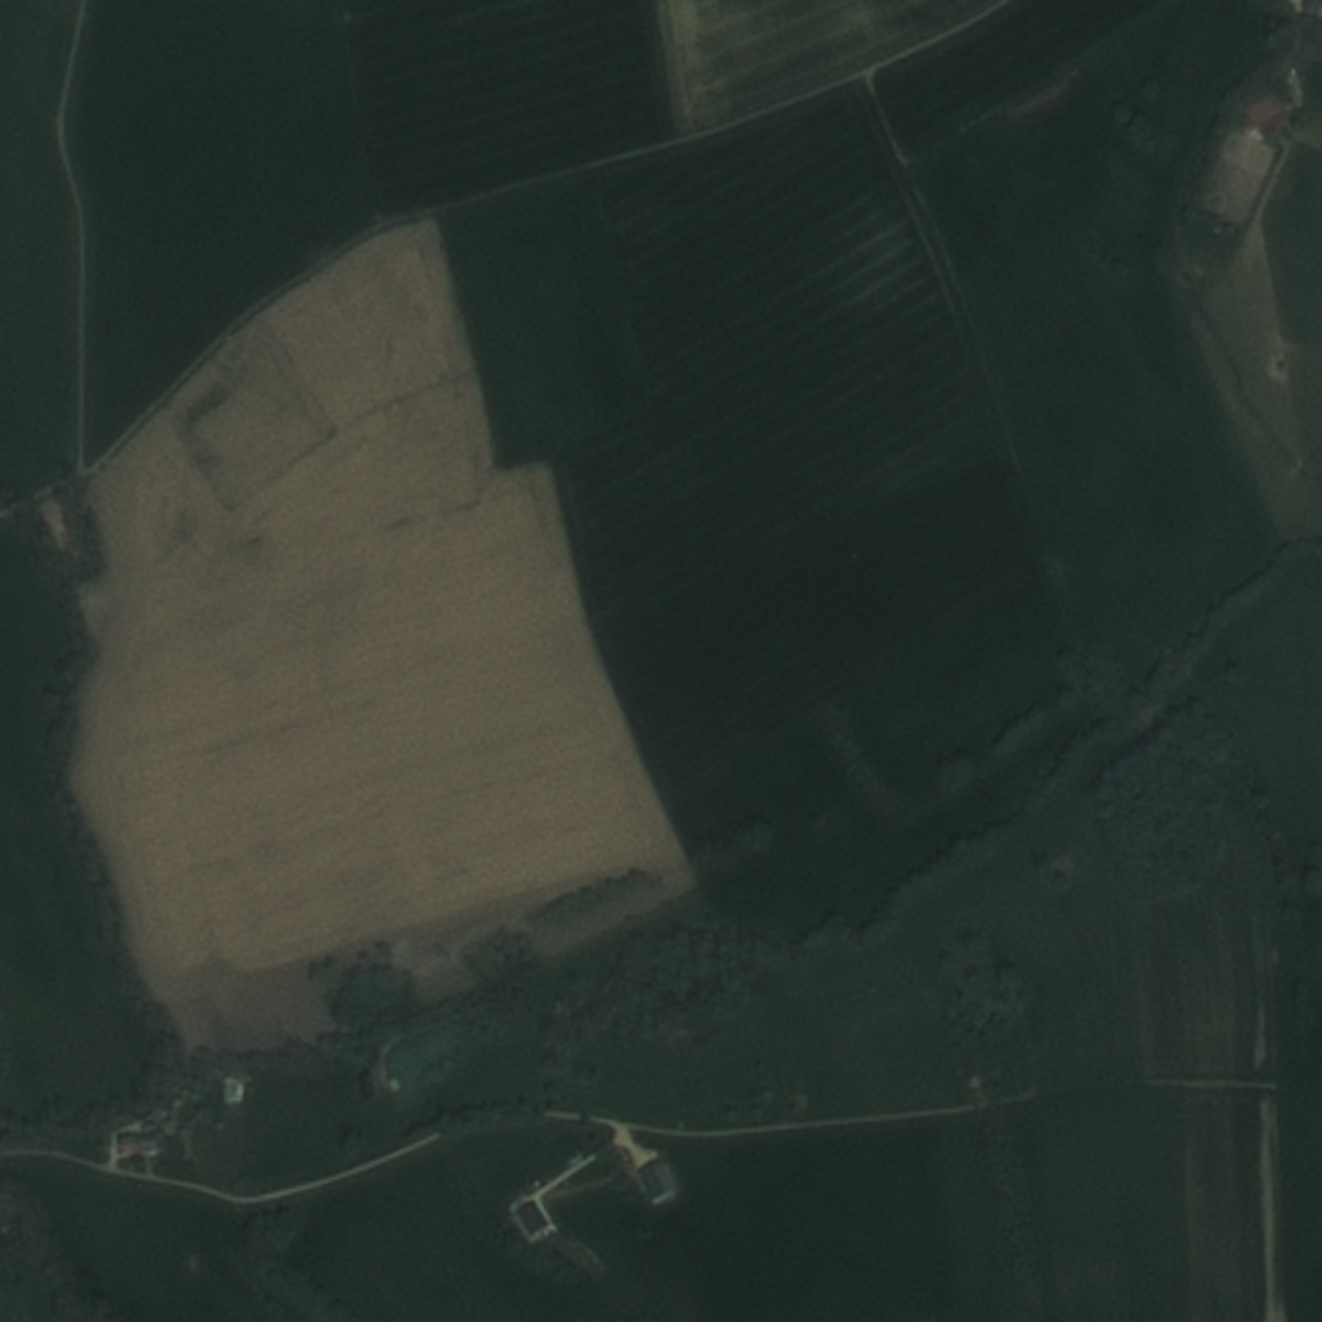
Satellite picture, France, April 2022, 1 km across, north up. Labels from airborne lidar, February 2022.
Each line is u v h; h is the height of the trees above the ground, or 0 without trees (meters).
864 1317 0
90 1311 19
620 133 0
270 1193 0
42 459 0
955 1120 0
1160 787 22
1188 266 0
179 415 0
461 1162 0
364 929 0
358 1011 9
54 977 0
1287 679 0
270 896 0
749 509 0
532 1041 0
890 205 0
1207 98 0
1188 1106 0
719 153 0
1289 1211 0
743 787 0
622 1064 0
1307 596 0
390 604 0
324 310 0
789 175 0
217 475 0
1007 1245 9
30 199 0
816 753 0
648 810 0
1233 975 0
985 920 0
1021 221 0
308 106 0
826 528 0
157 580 0
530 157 0
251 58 0
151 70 0
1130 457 0
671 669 0
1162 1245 0
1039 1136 0
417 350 0
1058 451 0
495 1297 0
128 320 0
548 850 0
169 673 0
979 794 0
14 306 0
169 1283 0
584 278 0
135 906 0
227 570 0
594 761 0
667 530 0
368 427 0
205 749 0
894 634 0
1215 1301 0
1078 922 0
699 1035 0
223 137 0
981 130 0
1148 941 0
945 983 0
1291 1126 0
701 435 0
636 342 0
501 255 0
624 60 0
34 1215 22
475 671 0
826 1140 0
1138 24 0
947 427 0
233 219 0
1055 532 0
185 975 0
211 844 0
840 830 0
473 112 0
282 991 0
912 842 0
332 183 0
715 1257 0
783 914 0
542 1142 0
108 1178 0
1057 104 0
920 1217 0
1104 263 8
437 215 0
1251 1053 0
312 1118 0
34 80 0
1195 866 19
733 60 0
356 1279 0
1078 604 0
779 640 0
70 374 0
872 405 0
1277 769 0
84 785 0
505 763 0
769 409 0
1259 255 0
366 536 0
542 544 0
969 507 0
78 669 19
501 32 0
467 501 0
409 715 0
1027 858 0
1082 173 0
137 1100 11
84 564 22
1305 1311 0
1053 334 0
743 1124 0
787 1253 0
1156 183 0
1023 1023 0
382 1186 0
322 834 0
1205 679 0
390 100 0
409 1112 0
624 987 21
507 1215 0
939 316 0
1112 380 0
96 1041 0
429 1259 0
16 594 0
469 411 0
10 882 0
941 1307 0
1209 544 0
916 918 0
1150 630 0
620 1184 10
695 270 0
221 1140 0
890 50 0
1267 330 0
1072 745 12
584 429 0
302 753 0
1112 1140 0
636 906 0
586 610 0
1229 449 0
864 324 0
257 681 0
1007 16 0
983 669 0
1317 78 0
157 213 0
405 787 0
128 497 0
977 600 0
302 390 0
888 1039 0
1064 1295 0
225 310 0
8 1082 10
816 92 0
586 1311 0
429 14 0
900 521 0
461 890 0
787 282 0
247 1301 0
